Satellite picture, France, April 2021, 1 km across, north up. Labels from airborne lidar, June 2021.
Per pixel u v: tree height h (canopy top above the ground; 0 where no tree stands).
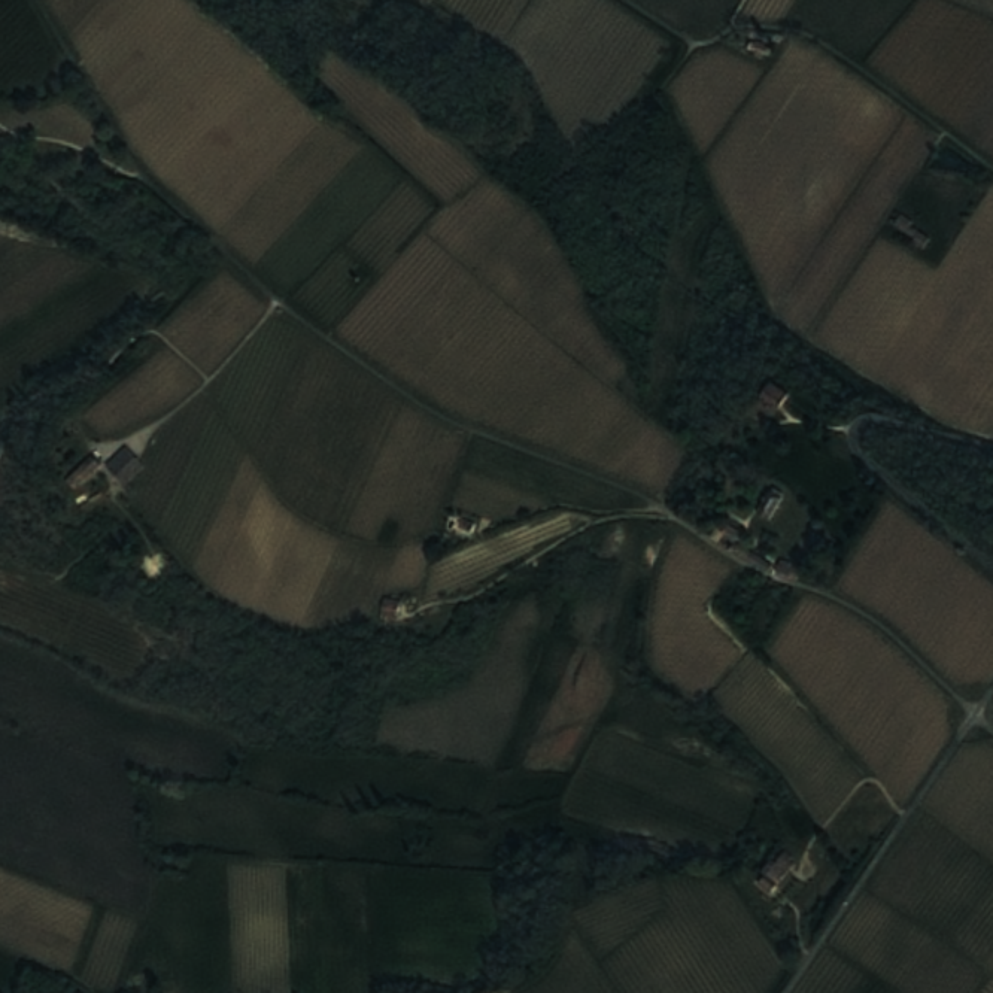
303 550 0
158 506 0
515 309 0
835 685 0
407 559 0
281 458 0
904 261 0
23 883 0
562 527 0
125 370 0
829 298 0
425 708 0
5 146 18
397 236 0
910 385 0
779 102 0
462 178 0
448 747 0
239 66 0
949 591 0
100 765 0
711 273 8
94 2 0
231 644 19
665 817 0
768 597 6
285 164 0
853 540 17
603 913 0
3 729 0
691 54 0
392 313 0
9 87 0
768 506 0
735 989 0
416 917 0
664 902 0
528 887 19
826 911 9
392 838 0
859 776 0
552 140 18
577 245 15
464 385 0
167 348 0
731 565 0
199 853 7
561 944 13
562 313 0
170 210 6
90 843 0
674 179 10
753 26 14
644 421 0
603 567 9
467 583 0
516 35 0
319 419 0
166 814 0
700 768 0
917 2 0
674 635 0
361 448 0
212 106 0
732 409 24
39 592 0
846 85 0
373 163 0
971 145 0
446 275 0
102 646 0
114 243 16
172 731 0
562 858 22
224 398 0
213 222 0
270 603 0
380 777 0
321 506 0
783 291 0
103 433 0
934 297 0
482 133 17
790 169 0
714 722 8
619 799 0
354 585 0
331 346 0
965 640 0
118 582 15
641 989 0
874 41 0
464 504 0
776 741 0
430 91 22
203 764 0
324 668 24
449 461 0
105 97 0
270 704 21
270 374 0
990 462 20
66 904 0
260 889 0
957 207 0
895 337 0
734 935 0
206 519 0
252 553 0
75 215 19
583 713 0
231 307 0
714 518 17
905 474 8
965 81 0
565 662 0
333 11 8
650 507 0
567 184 13
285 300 0
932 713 0
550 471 0
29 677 0
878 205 0
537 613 0
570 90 0
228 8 22
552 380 0
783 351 21
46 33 0
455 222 0
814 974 0
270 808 0
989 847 0
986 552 16
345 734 16
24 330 0
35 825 0
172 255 18
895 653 0
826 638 0
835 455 0
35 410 18
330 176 0
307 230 0
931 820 0
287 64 21
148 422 0
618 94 0
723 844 0
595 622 0
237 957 0
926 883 0
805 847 0
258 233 0
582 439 0
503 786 0
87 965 0
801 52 0
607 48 0
